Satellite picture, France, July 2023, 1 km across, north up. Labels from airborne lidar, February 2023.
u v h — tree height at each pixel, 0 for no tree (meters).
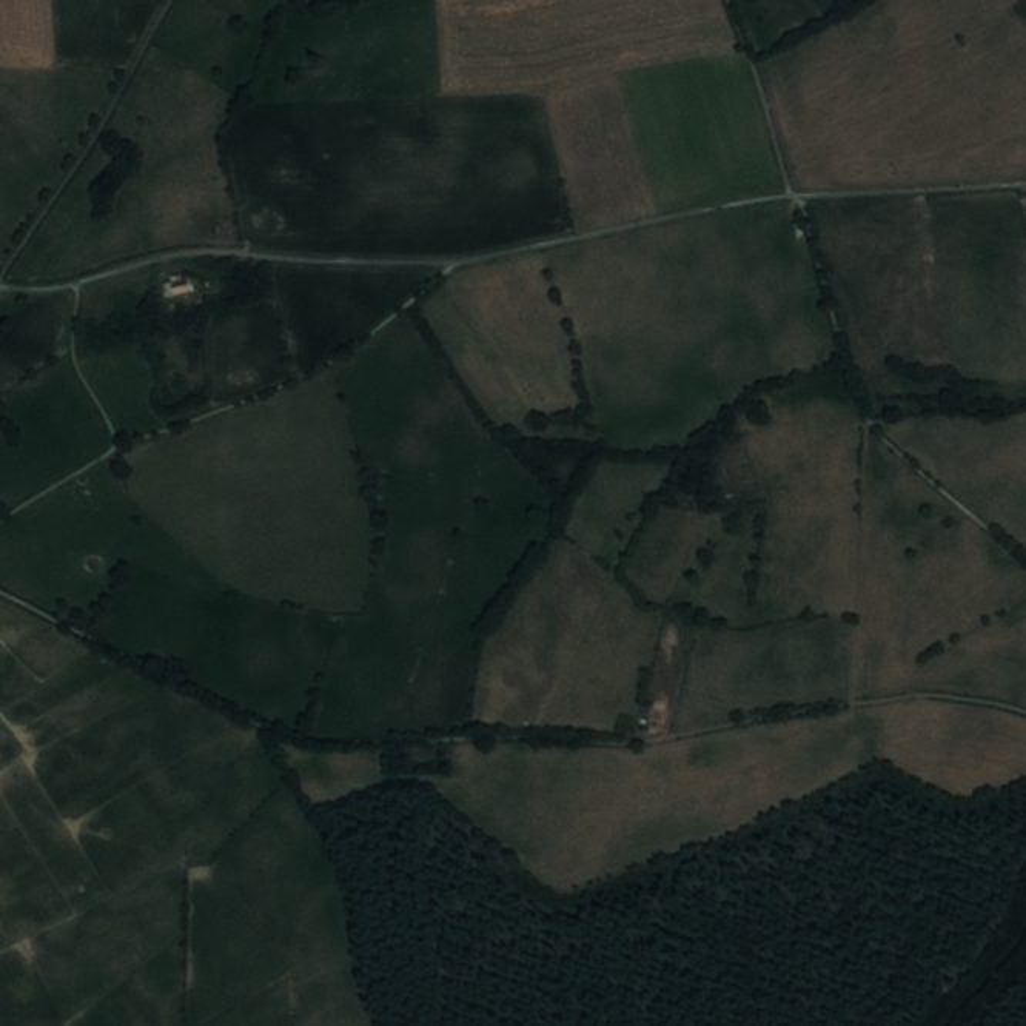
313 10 10
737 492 0
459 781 0
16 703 0
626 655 0
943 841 23
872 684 0
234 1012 0
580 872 0
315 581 0
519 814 0
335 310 0
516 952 24
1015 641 0
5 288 0
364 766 0
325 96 0
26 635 0
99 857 0
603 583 0
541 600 0
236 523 0
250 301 8
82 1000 0
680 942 25
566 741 10
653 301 0
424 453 0
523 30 0
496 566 0
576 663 0
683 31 0
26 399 0
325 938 0
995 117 0
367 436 0
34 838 0
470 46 0
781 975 24
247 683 0
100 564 0
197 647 0
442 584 0
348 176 0
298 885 0
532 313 0
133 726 0
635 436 0
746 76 0
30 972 0
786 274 0
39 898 0
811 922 26
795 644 0
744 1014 17
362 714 0
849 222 0
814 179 0
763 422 11
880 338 0
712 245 0
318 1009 0
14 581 0
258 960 0
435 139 0
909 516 0
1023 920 14
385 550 16
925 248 0
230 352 0
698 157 0
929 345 0
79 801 0
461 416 0
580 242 0
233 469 0
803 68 0
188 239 0
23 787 0
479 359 0
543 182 0
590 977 27
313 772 0
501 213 0
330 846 22
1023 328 0
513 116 0
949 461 0
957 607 0
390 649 0
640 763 0
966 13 0
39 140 0
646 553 0
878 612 0
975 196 0
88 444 0
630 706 0
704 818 0
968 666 0
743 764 0
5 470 0
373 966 24
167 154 0
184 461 0
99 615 16
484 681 0
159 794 0
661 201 0
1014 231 0
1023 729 0
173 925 0
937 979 24
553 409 0
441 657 0
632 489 0
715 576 0
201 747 0
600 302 0
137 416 0
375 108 0
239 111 16
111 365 0
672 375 0
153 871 0
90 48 0
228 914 0
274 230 0
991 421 12
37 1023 0
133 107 0
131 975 0
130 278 0
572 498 13
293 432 0
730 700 0
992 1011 17
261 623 0
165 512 0
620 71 0
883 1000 27
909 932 19
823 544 0
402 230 0
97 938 0
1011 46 0
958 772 0
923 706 0
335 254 0
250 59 0
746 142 0
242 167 0
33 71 0
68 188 0
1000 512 0
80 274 0
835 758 0
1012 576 0
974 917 24
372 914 29
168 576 0
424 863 31
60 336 0
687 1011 26
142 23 0
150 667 16
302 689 0
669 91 0
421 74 0
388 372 0
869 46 0
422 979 31
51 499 0
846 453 0
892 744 0
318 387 0
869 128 0
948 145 0
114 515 0
